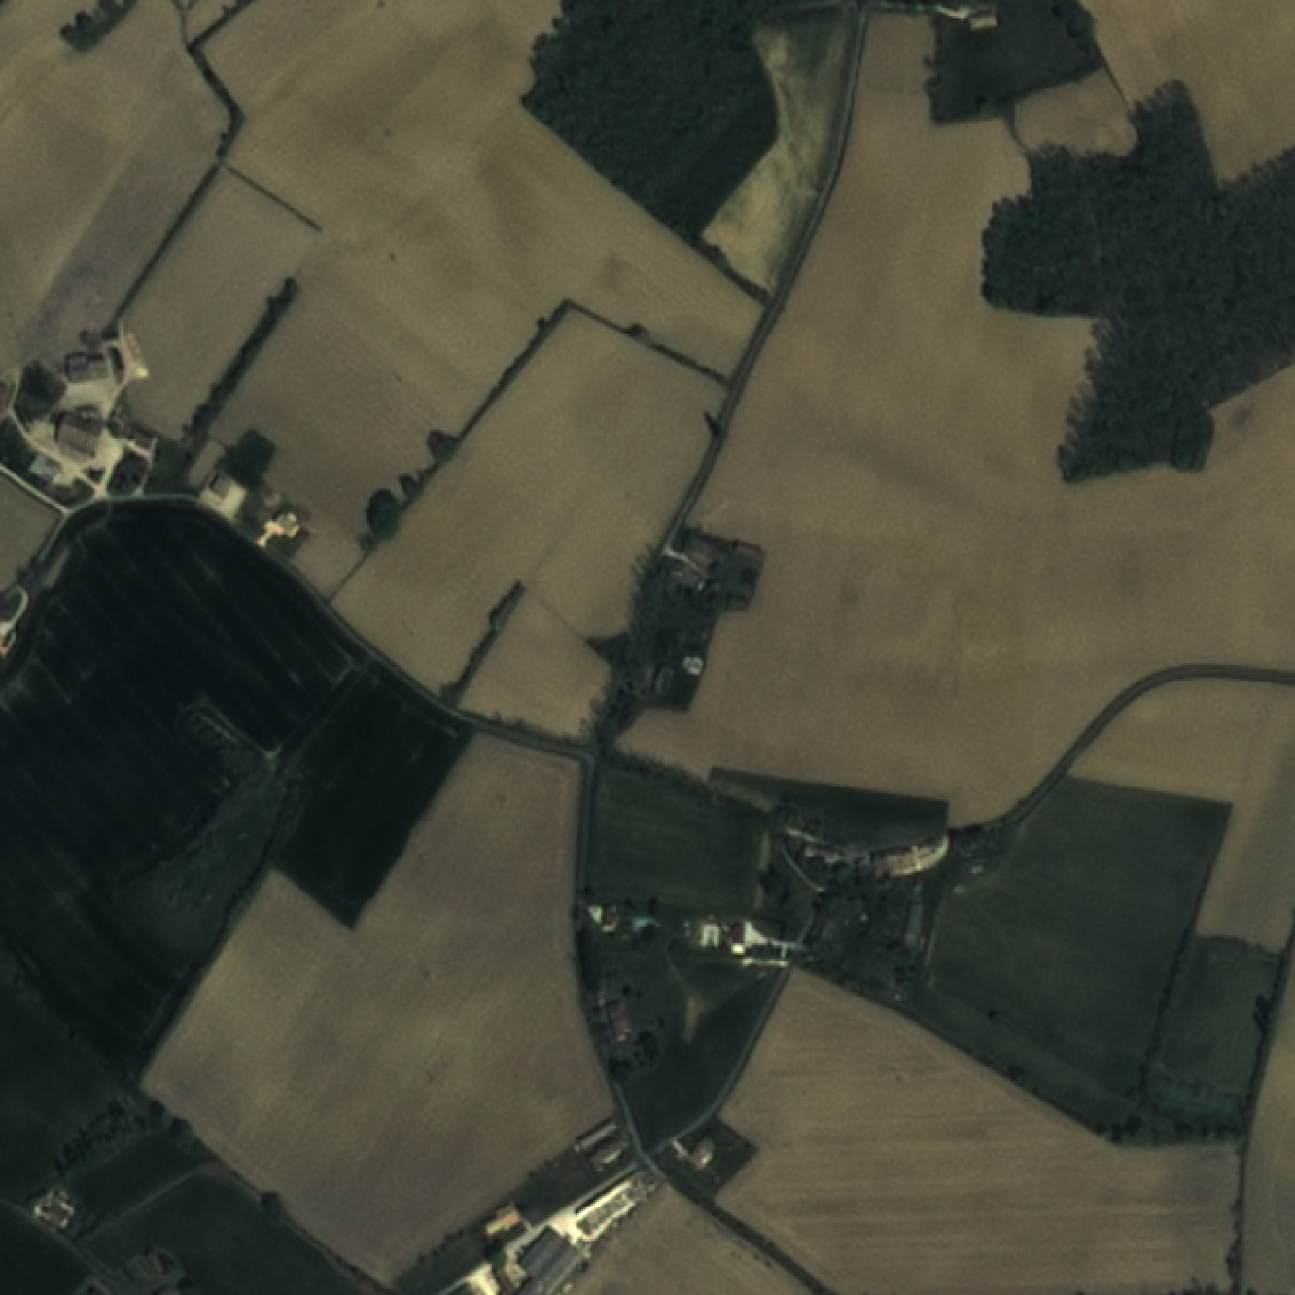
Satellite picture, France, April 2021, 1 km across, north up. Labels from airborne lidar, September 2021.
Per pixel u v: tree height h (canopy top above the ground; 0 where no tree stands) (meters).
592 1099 0
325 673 0
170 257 0
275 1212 15
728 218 0
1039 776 0
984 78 0
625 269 0
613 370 0
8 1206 0
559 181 0
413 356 0
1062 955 0
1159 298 20
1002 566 0
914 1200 0
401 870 0
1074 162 19
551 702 0
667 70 13
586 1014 9
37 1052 0
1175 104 16
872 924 6
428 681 0
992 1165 0
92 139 0
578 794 0
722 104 12
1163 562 0
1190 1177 0
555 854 0
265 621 0
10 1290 0
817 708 0
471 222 0
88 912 0
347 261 0
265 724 0
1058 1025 0
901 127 0
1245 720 0
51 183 0
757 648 0
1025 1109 0
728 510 0
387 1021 0
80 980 0
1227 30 0
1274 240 20
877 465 0
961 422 0
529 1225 13
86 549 0
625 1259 0
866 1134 0
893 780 0
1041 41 0
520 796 0
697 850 0
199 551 0
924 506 0
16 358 0
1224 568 0
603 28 9
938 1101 0
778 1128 0
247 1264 0
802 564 0
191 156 0
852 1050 0
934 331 0
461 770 0
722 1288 0
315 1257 0
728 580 6
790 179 0
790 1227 0
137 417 0
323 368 0
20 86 0
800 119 0
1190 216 20
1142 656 0
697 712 0
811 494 0
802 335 0
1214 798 0
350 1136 0
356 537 0
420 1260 7
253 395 0
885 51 0
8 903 0
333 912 0
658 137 12
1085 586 0
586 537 0
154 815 0
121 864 0
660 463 0
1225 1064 0
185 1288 14
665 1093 0
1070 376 0
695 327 0
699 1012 0
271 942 0
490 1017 0
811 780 0
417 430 0
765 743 0
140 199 0
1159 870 0
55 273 0
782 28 0
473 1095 0
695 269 0
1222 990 0
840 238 0
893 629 0
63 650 0
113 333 0
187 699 0
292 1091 0
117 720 0
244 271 0
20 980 12
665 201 6
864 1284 0
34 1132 0
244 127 0
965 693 0
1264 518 0
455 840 0
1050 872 0
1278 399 0
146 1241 0
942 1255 0
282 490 0
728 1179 0
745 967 0
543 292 0
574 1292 0
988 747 0
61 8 0
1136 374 20
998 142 0
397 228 0
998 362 0
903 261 0
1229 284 16
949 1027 0
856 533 0
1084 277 19
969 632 0
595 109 14
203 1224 0
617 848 0
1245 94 0
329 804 0
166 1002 0
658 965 0
